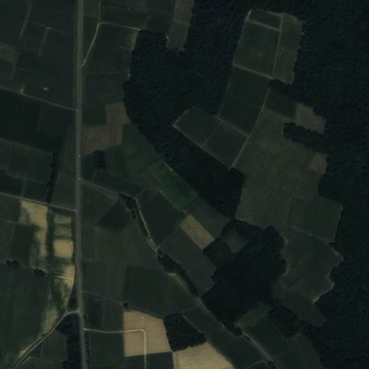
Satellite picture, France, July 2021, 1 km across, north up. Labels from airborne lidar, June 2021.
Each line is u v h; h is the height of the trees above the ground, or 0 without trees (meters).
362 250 25
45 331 0
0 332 0
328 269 0
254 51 0
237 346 0
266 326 0
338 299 19
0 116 0
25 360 0
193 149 18
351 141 27
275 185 0
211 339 0
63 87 0
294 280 0
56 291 0
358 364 27
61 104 0
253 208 0
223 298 22
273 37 0
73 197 0
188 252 0
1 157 0
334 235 0
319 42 22
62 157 0
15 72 0
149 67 23
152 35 21
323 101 25
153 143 19
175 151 22
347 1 23
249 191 0
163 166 0
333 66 22
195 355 0
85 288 0
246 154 0
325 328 20
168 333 11
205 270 0
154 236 0
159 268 0
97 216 0
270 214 0
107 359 0
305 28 21
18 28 0
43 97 0
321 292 0
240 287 23
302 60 19
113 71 0
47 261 0
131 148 0
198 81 14
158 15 0
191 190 0
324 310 16
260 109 0
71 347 9
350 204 22
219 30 19
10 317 0
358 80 27
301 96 18
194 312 0
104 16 0
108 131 0
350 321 17
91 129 0
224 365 0
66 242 0
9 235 0
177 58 22
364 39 24
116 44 0
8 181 0
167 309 0
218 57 15
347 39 22
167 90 17
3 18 0
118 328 0
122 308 0
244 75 0
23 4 0
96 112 0
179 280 0
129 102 14
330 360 21
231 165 0
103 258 0
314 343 13
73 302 11
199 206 0
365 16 22
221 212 16
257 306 21
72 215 0
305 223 0
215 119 0
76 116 0
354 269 22
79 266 0
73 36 0
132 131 0
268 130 0
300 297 0
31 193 0
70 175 0
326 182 8
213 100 15
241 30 13
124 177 0
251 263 26
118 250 0
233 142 0
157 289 0
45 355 0
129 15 0
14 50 0
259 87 0
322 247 0
